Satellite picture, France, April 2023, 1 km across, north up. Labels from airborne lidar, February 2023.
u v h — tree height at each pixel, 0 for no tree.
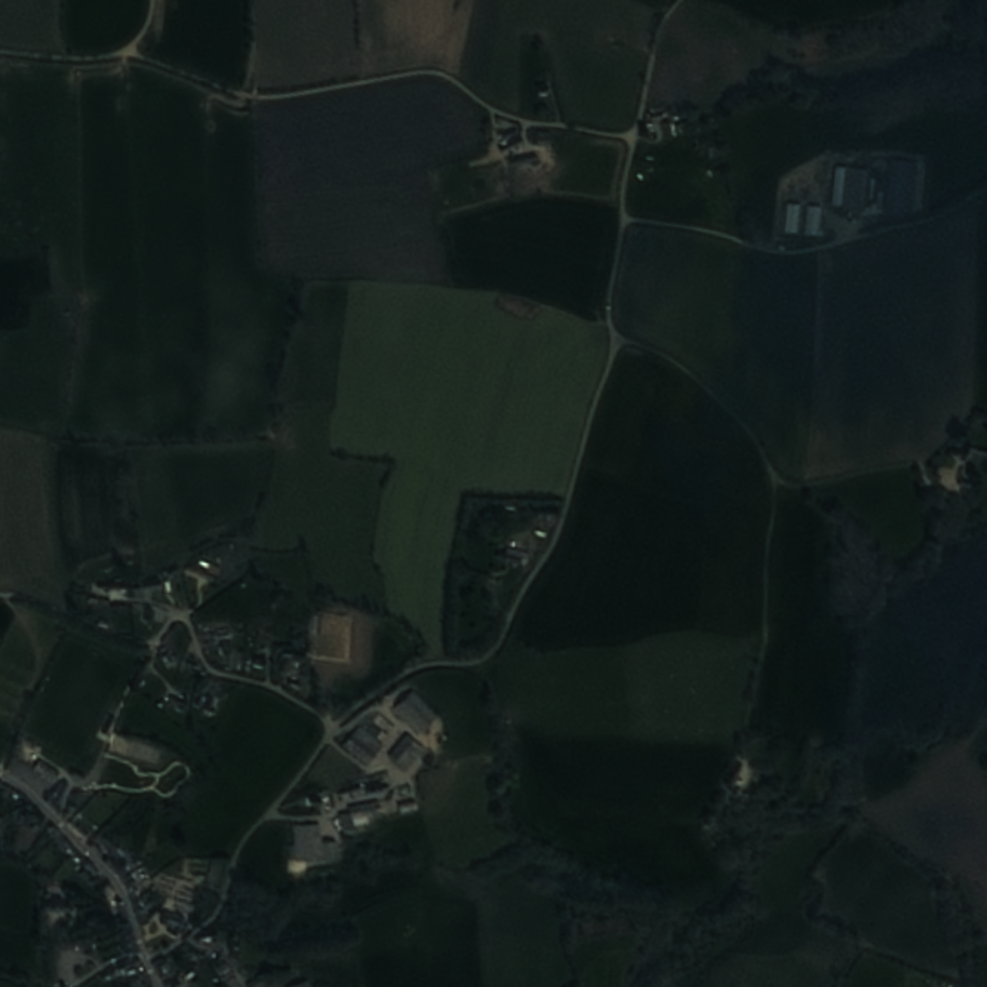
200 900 8
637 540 0
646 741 0
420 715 0
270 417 10
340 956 18
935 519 21
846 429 0
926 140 0
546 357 0
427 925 0
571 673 0
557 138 0
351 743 0
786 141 0
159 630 0
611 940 0
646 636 0
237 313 0
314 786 0
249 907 14
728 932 8
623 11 0
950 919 22
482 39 0
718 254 0
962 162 0
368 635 0
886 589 24
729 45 0
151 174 0
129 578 0
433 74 0
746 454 0
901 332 0
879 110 18
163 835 0
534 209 0
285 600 12
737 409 0
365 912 0
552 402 0
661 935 19
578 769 0
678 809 0
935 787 0
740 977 0
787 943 0
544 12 0
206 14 0
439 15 0
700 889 0
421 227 0
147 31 0
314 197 0
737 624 0
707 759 0
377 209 0
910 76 23
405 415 0
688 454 0
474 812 0
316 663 0
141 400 0
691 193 0
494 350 0
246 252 0
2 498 0
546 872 6
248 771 0
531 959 0
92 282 0
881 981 0
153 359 0
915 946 0
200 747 15
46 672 0
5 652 0
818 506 9
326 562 0
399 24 0
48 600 0
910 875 0
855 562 23
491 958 0
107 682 0
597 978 0
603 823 0
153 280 0
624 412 0
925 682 0
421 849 0
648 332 0
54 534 0
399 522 0
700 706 0
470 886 0
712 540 0
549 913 0
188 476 0
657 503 0
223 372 0
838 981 14
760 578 0
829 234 0
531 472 0
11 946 0
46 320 0
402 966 0
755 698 12
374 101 0
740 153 0
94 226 0
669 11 0
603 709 0
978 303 0
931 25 23
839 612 10
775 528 0
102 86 0
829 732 0
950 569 0
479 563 0
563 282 0
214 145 0
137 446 7
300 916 0
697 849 0
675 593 0
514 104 0
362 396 0
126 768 0
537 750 0
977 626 0
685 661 0
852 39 18
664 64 0
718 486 0
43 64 8
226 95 12
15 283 0
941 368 0
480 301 0
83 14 0
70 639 0
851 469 0
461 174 0
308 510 0
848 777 19
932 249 0
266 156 0
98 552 0
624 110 0
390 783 0
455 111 0
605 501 0
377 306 0
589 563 0
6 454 0
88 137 0
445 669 0
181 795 17
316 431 0
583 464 0
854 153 0
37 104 0
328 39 0
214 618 0
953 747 0
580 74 0
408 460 0
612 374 0
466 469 0
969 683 21
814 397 0
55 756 0
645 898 33
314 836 0
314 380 0
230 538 10
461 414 0
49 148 0
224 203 0
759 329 0
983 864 0
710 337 0
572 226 0
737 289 0
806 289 0
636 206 0
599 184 0
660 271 0
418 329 0
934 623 0
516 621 0
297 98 0
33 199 0
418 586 0
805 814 7
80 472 0
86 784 0
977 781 0
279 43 0
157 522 0
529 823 0
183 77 8
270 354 0
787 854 0
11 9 0
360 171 0
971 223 0
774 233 0
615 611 0
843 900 0
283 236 0
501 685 0
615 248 0
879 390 0
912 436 0
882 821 0
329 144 0
